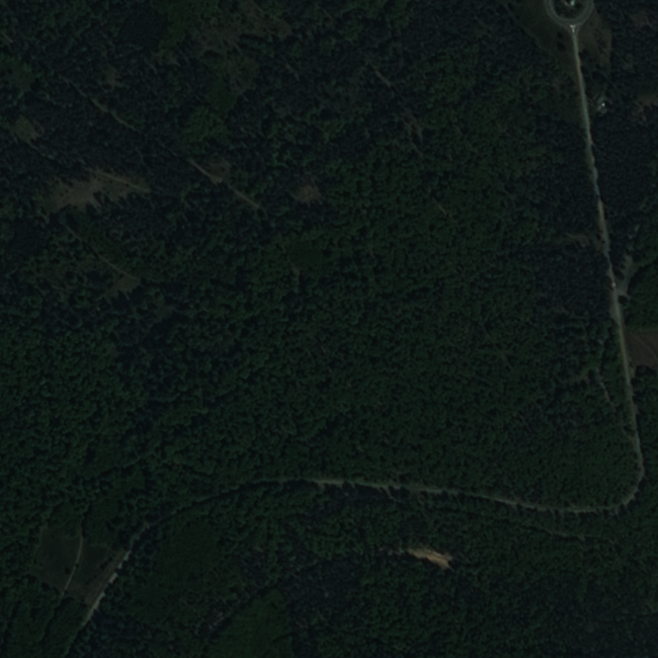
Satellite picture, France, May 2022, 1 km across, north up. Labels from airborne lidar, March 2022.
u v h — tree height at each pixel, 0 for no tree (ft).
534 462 58
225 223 47
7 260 52
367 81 19
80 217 26
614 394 54
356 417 78
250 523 72
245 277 104
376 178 79
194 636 61
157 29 48
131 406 54
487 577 80
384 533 84
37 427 90
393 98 45
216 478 84
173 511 60
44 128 89
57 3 84
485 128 69
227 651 61
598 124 68
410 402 69
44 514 77
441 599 77
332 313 80
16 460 69
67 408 94
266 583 42
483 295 64
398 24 55
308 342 82
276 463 76
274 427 78
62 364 83
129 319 52
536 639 63
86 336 92
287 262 78
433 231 79
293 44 65
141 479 38
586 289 82
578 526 63
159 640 56
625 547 56
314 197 0
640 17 0
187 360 37
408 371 72
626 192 83
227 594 62
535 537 61
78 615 57
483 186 73
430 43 72
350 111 60
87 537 47
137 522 32
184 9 30
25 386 81
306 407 89
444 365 66
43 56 93
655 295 60
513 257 59
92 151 103
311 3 64
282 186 86
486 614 72
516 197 57
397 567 67
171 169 85
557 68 50
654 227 57
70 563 0
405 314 77
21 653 54
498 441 54
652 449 64
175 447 96
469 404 68
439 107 64
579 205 64
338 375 78
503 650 78
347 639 81
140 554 62
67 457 91
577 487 59
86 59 72
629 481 53
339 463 70
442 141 78
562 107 23
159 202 83
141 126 33
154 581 51
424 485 62
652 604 65
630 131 80
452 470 64
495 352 64
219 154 89
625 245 70
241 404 89
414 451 73
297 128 53
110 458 50
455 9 66
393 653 72
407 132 68
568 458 56
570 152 80
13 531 73
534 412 71
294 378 86
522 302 58
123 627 30
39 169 102
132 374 67
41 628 43
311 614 72
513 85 61
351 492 93
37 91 73
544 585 69
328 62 81
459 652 68
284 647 64
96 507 46
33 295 82
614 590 69
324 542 82
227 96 40
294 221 77
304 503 66
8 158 87
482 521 75
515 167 64
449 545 73
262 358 86
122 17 23
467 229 72
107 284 48
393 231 82
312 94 94
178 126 87
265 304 86
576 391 51
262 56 83
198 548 41
